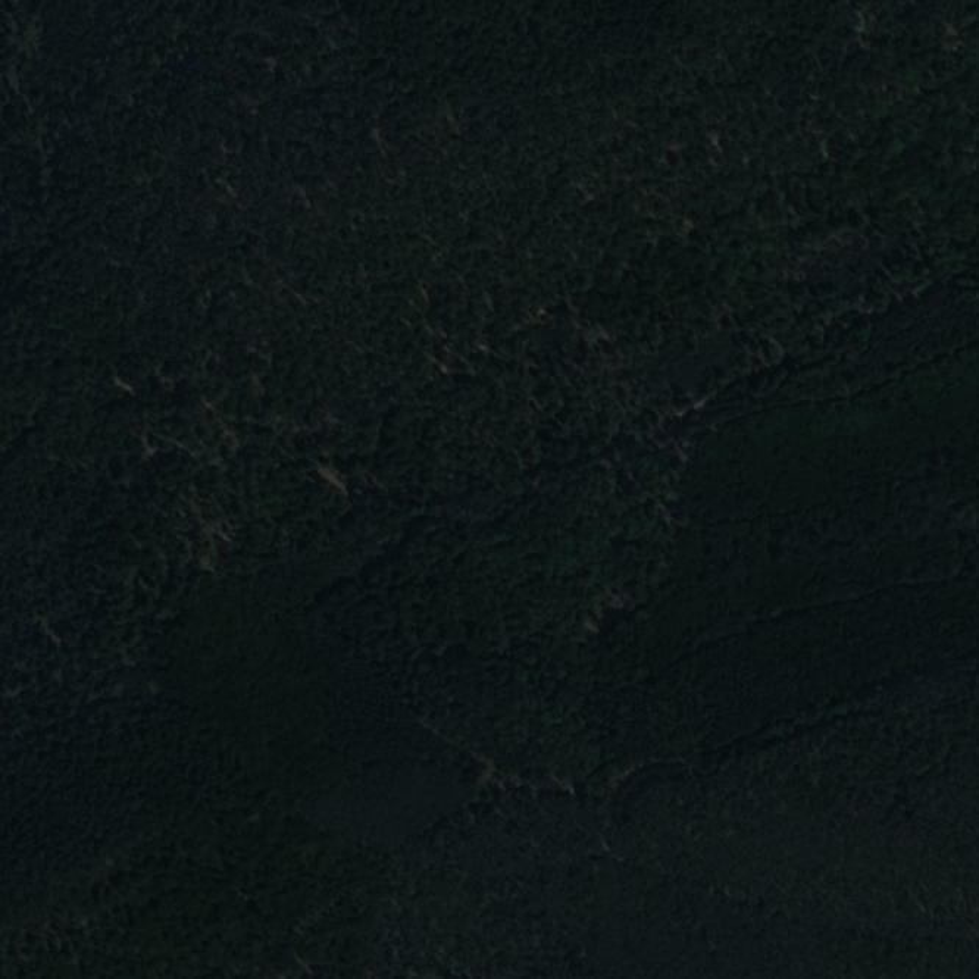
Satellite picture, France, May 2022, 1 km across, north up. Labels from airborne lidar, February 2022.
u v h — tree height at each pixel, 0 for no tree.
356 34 22
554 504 33
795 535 14
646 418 26
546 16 21
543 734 25
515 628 31
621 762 13
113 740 19
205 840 26
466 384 31
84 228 27
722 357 11
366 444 26
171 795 25
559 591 29
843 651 17
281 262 25
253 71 24
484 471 29
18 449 29
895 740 31
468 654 29
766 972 20
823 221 10
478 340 17
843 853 17
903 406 6
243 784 29
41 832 18
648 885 20
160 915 20
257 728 19
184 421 28
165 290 22
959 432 14
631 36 24
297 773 19
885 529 14
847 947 21
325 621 16
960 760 24
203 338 21
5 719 25
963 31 23
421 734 11
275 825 21
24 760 24
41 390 26
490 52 21
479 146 23
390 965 27
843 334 30
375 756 9
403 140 24
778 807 18
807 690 16
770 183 31
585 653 28
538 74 25
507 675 27
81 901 22
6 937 19
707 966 22
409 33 27
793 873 18
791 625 17
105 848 18
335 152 25
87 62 7
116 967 21
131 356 30
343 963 23
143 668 10
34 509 19
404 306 26
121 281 25
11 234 29
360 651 24
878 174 31
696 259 32
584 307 27
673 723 13
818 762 24
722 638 9
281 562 18
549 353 8
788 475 8
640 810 16
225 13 24
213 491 24
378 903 18
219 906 22
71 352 29
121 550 18
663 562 32
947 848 17
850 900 18
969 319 15
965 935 21
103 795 22
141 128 25
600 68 16
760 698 15
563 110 20
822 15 25
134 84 29
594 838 21
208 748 24
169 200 25
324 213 23
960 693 33
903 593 12
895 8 25
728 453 8
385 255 26
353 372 29
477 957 25
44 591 20
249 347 24
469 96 20
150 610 19
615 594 30
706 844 20
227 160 29
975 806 20
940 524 12
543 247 21
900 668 13
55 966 22
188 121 26
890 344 13
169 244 27
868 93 24
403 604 30
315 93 24
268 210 26
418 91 24
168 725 20
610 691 27
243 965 16
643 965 20
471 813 23
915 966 23
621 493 29
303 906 22
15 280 12
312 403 28
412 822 19
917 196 31
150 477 23
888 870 17
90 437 31
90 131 26
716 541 15
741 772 22
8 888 23
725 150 22
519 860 22
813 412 8
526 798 23
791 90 25
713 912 21
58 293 29
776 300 29
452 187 23
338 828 17
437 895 21
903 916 21
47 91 11
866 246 9
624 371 8
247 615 15
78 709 10
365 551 17
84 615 9
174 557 27
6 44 9
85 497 8
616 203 21
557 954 25
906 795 21
